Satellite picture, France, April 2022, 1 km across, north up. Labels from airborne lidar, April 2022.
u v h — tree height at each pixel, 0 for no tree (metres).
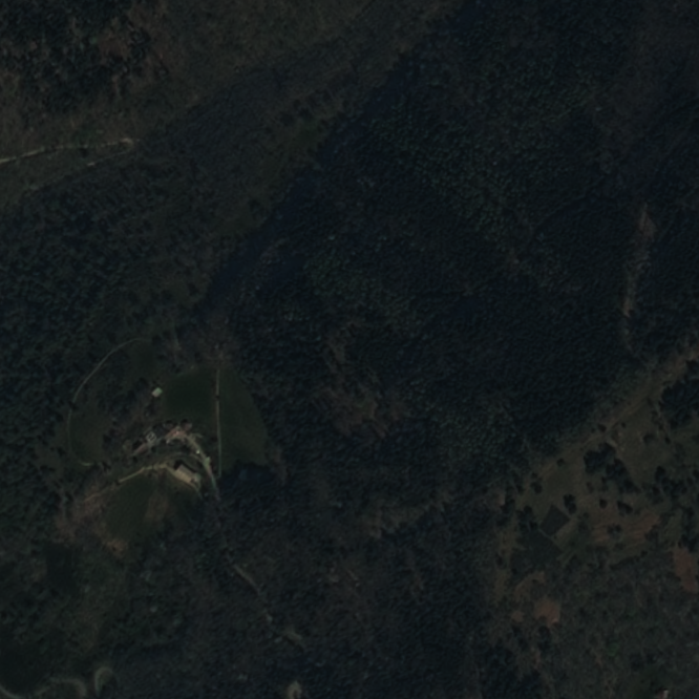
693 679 12
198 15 19
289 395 24
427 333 25
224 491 19
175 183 0
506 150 27
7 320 23
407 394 28
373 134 30
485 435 28
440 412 31
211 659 18
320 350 25
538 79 27
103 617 7
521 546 0
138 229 0
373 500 17
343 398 28
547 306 28
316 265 31
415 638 20
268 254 29
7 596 0
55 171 17
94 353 0
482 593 21
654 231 0
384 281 27
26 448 14
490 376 33
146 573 18
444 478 24
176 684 26
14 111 27
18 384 11
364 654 24
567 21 30
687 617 19
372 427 8
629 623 23
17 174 17
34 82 31
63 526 0
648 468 0
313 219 29
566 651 27
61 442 0
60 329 14
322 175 18
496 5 25
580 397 25
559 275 23
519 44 15
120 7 32
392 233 26
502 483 21
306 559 24
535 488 11
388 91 11
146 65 27
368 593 20
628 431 0
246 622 26
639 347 18
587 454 0
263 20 18
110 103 21
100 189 9
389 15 20
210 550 21
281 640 30
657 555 9
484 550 23
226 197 21
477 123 27
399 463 29
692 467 0
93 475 17
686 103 19
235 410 0
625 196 26
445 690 22
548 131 22
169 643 11
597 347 29
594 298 24
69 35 32
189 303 0
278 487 22
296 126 21
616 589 20
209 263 14
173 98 12
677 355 17
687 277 21
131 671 27
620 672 20
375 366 6
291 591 27
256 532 25
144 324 17
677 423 8
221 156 24
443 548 25
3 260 22
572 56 26
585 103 23
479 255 21
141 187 0
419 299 24
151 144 20
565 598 20
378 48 22
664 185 21
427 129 28
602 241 24
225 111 24
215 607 27
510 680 15
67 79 27
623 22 28
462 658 21
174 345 20
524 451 24
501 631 7
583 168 26
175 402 0
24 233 16
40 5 35
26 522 8
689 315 17
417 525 9
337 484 27
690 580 0
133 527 0
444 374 27
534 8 26
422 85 26
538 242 22
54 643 10
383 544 9
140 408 27
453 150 27
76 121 14
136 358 0
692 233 19
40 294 8
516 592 0
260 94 18
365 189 27
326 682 19
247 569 21
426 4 14
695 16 16
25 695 6
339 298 30
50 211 17
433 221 24
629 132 20
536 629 7
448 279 29
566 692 23
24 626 17
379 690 16
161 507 0
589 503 0
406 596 22
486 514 18
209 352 24
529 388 34
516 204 24
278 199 8
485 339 28
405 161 23
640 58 21
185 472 0
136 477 0
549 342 24
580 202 18
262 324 26
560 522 0
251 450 0
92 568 9
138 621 6
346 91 20
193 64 23
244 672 30
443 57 20
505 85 22
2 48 30
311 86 20
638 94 23
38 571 16
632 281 10
